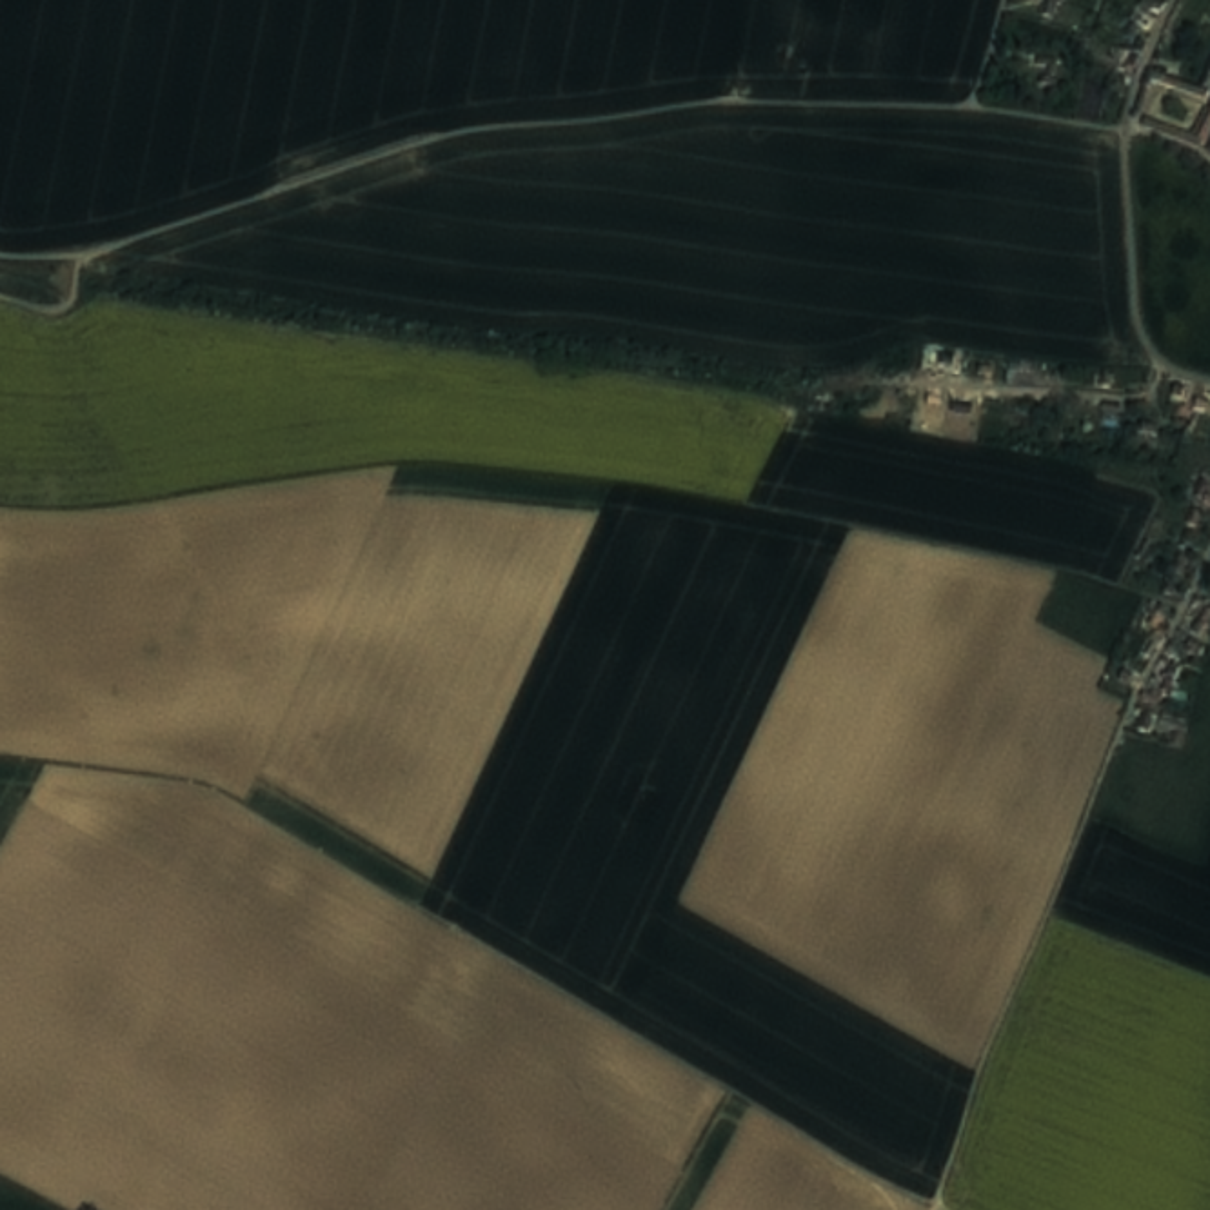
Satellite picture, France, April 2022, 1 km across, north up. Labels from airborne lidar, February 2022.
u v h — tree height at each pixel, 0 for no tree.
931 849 0
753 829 0
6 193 0
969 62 0
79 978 0
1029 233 0
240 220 0
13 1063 0
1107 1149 0
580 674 0
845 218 0
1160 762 0
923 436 0
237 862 0
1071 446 8
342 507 0
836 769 0
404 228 0
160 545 0
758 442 0
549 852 0
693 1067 0
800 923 0
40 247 0
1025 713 0
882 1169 0
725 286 0
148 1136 0
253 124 0
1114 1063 0
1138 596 0
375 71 0
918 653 0
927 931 0
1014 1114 0
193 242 0
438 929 0
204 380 0
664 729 0
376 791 0
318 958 0
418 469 0
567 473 0
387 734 0
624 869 0
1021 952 0
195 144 0
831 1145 0
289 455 0
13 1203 0
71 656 0
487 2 0
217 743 0
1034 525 0
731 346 0
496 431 0
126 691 0
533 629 0
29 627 0
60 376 0
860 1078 0
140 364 0
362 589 0
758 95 0
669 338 0
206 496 0
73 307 0
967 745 0
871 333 0
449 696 0
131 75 0
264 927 0
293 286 0
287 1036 0
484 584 0
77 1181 0
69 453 0
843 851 0
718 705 0
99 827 0
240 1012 0
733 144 0
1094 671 0
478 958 0
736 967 0
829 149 0
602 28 0
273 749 0
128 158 0
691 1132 0
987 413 0
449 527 0
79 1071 0
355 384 0
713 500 0
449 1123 0
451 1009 0
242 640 0
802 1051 0
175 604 0
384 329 10
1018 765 0
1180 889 0
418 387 0
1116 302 0
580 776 0
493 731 0
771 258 0
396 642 0
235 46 0
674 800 0
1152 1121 0
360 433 0
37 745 0
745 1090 0
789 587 0
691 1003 0
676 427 0
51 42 0
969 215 0
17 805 0
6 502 0
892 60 0
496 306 0
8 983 0
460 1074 0
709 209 0
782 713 0
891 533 0
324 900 0
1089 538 0
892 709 0
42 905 0
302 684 0
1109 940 0
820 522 0
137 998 0
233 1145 0
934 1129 0
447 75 0
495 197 0
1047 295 0
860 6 0
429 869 0
